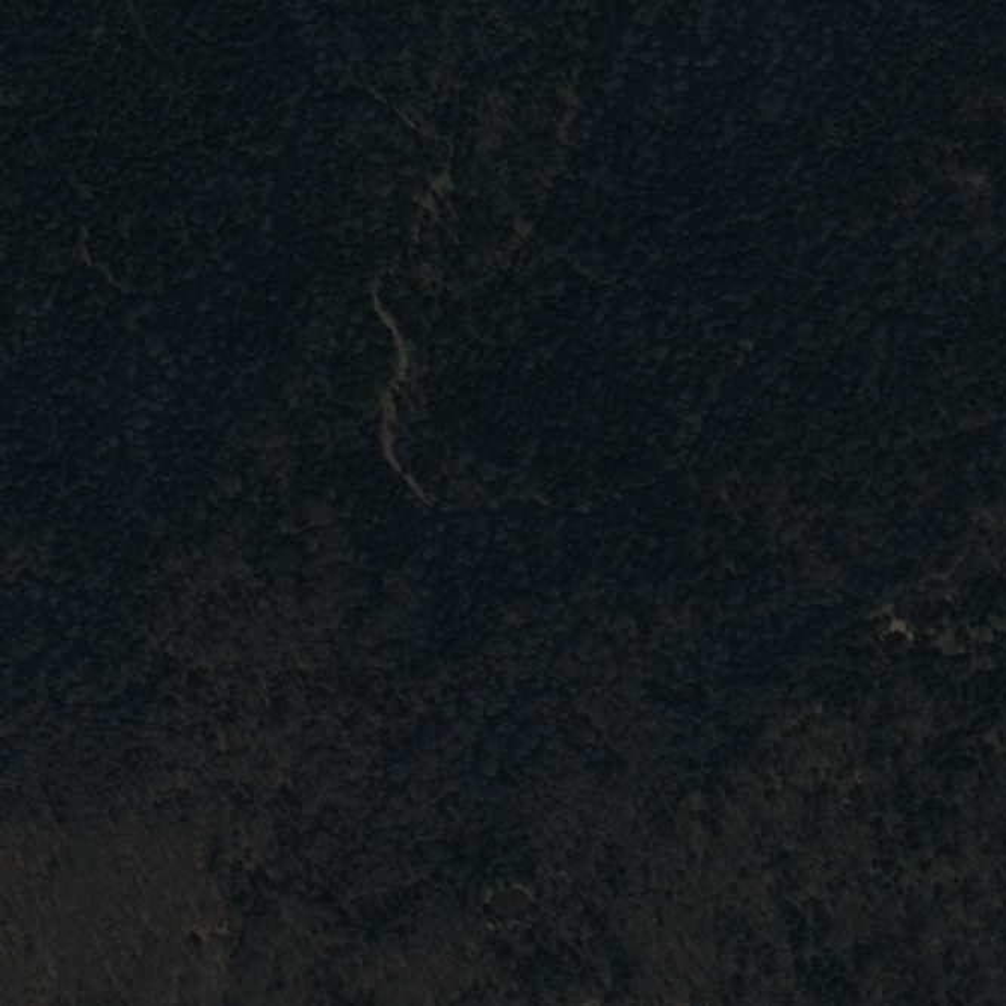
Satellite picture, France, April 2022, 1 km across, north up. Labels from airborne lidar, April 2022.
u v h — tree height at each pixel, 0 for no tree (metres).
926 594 13
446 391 25
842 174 19
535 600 26
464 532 25
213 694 25
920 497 26
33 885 18
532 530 22
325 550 32
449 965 16
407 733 9
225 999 14
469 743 23
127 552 21
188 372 10
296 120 18
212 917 13
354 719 9
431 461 15
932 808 21
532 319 25
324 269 29
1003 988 21
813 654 18
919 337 24
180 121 22
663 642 28
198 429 12
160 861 18
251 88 23
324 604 33
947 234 9
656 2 35
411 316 17
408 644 27
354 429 29
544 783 22
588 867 26
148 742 17
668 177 26
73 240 26
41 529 24
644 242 20
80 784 19
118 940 22
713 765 12
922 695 21
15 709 23
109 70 30
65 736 22
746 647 26
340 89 12
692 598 19
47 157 15
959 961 14
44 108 26
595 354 20
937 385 22
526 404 22
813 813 14
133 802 10
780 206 18
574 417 17
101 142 7
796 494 15
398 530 27
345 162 22
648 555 26
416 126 9
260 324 30
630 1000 12
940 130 12
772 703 25
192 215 17
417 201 12
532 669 29
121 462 24
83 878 16
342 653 26
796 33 27
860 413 11
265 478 31
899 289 15
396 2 17
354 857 30
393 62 22
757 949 16
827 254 27
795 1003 25
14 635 35
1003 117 9
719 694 29
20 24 28
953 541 21
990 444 25
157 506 24
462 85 18
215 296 29
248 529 22
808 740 20
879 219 16
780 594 26
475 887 17
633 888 20
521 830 22
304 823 28
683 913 22
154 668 17
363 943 12
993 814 27
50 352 16
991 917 15
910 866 9
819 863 25
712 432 11
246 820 28
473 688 30
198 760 26
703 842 15
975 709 20
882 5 28
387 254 18
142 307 35
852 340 23
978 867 17
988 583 24
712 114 22
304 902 16
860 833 23
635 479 15
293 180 17
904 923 27
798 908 6
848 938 16
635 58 35
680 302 27
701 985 23
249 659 18
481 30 33
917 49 14
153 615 14
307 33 21
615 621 20
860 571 18
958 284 16
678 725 27
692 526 20
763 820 26
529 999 14
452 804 18
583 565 30
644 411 21
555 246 35
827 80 25
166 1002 16
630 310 24
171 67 22
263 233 22
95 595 17
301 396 27
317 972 17
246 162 26
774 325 33
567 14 42
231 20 19
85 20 28
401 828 26
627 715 30
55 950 18
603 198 16
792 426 24
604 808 29
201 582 26
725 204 25
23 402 34
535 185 32
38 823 22
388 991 14
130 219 27
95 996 24
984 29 22
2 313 27
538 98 28
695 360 13
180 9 23
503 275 26
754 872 17
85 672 27
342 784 26
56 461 14
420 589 29
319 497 29
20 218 31
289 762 23
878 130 23
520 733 14
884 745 20
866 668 15
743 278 22
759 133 17
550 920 19
